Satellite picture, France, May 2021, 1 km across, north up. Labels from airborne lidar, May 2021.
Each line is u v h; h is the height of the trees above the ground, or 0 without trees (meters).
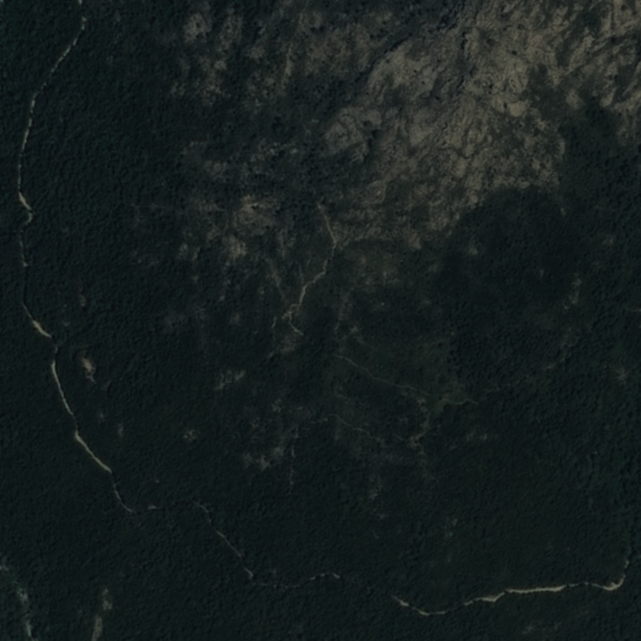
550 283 6
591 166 15
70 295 9
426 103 0
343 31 0
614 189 19
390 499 7
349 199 0
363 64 0
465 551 11
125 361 10
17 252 20
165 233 9
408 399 5
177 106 5
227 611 13
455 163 0
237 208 0
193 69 6
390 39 6
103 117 15
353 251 0
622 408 18
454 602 16
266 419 7
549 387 6
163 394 6
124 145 13
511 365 10
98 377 14
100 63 9
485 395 10
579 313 8
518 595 10
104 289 10
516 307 7
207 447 7
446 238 0
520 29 9
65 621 14
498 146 0
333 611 14
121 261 13
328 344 15
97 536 10
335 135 0
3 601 23
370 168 0
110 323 19
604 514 14
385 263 0
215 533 15
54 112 8
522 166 0
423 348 7
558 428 17
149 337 13
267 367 12
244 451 7
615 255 9
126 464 12
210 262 11
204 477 12
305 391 6
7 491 16
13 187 11
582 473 25
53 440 11
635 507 7
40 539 12
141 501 12
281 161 12
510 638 10
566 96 0
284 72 0
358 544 14
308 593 18
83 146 17
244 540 13
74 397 7
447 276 6
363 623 12
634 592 21
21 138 8
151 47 6
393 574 25
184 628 15
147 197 7
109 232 8
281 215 13
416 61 0
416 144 0
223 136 17
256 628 16
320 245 0
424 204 0
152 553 16
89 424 11
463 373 14
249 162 7
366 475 9
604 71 0
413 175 0
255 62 6
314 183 10
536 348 12
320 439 7
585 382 21
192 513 18
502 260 12
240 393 6
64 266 14
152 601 16
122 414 7
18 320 16
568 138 13
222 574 16
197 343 7
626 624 12
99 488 14
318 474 8
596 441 23
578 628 6
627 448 17
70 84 11
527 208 6
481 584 11
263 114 7
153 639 17
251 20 7
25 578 15
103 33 8
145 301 6
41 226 15
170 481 11
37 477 14
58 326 10
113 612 13
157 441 6
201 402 15
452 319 12
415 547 16
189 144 6
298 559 14
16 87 7
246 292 9
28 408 10
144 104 11
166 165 13
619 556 10
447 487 5
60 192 10
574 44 0
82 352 7
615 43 15
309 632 15
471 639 20
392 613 11
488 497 7
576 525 13
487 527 7
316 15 0
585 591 10
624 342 17
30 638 8
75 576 11
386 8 0
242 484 9
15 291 20
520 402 8
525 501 11
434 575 6
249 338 9
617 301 15
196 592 19
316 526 15
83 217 13
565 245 6
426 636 15
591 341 18
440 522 8
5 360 10
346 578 19
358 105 0
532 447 9
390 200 0
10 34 16
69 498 13
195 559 20
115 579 10
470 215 7
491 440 7
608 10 0
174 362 8
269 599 14
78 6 11
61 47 10
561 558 9
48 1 10
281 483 7
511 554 12
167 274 7
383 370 6
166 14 15
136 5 7
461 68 0
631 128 0
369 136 0
